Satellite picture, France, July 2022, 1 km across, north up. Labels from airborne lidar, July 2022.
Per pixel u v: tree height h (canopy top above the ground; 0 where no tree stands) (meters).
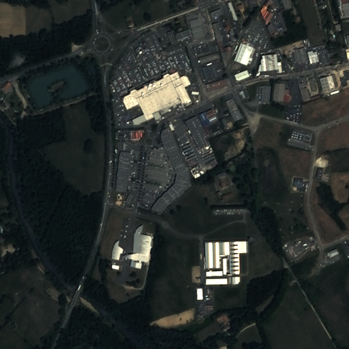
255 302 15
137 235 0
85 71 9
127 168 0
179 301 0
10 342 0
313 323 0
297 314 0
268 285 15
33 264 10
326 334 0
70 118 0
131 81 0
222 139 0
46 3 34
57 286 16
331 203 7
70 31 23
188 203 0
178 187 0
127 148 0
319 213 0
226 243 0
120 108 0
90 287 15
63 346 17
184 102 0
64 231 13
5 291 0
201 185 0
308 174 0
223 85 0
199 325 0
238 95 0
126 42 0
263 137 0
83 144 0
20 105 8
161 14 0
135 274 13
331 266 0
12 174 0
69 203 19
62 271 21
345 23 0
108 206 0
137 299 15
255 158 6
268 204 0
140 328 20
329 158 0
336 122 0
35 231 12
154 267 13
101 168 0
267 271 0
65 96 0
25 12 0
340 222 10
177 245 0
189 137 0
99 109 7
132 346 30
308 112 0
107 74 0
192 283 0
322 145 0
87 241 9
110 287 0
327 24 6
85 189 0
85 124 0
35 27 0
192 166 0
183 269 0
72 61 12
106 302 16
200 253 0
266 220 9
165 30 0
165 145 0
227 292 0
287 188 0
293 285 0
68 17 0
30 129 17
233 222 0
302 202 0
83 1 0
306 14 0
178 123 0
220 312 12
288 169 0
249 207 21
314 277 0
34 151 24
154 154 0
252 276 0
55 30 26
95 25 0
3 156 21
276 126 0
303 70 0
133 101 0
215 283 0
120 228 0
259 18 0
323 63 0
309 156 0
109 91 0
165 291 0
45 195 17
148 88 0
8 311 0
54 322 0
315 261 0
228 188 0
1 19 0
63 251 11
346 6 0
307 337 0
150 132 0
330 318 0
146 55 0
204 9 0
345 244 0
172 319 0
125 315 13
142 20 0
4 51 14
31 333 0
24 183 24
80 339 10
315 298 0
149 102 0
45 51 20
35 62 24
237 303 0
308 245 0
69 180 0
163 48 7
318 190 6
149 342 26
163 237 8
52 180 19
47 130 15
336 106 0
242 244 0
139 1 15
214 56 0
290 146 0
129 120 0
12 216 15
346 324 0
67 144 0
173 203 0
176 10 14
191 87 0
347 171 0
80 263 7
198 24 0
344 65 0
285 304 0
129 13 0
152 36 0
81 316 10
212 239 0
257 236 0
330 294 0
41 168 12
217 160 7
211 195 0
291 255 0
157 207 0
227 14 0
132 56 0
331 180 0
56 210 15
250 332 0
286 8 0
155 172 0
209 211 0
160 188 0
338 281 0
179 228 0
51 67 17
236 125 6
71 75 0
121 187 0
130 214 0
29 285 0
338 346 13
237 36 12
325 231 0
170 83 0
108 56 0
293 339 0
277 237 13
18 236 13
